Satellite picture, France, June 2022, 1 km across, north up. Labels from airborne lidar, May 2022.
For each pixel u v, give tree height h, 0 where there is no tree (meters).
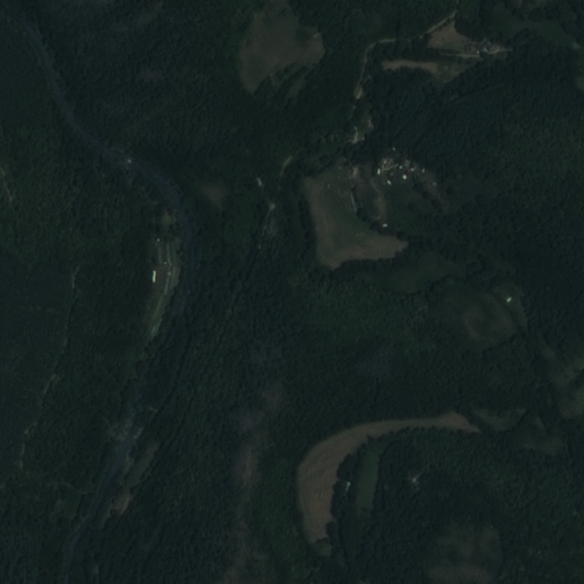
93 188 26
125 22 11
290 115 19
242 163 10
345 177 0
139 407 20
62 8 11
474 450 15
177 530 21
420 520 16
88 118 11
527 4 9
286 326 14
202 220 18
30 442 19
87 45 10
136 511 13
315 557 15
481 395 20
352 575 25
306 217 17
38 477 8
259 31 0
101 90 13
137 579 18
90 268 20
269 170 10
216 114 8
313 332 13
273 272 8
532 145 16
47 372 15
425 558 16
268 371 8
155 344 17
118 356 16
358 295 15
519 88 20
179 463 13
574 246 22
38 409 14
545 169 14
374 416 20
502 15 0
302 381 19
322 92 22
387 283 0
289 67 7
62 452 11
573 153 15
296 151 15
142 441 15
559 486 16
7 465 20
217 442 13
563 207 20
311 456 0
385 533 20
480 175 16
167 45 10
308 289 17
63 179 27
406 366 17
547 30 0
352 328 15
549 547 17
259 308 18
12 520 22
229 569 5
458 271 0
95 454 23
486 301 0
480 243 14
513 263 15
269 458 16
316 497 0
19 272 21
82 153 28
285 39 0
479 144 16
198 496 13
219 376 11
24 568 37
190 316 14
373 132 6
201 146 7
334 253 0
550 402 20
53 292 23
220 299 16
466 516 16
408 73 33
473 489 19
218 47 14
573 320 19
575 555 14
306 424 21
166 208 22
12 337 19
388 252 0
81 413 24
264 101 8
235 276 6
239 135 14
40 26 11
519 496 18
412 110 15
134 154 17
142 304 21
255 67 0
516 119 16
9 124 20
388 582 17
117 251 11
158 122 16
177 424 13
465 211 16
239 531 7
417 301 17
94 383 19
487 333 0
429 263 0
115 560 8
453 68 0
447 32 0
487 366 19
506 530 19
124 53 11
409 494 23
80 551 20
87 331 23
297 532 17
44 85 16
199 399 14
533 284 15
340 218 0
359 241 0
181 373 16
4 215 15
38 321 21
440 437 13
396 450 22
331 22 23
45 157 15
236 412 9
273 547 15
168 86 13
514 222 22
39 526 18
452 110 16
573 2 16
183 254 12
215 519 12
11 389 19
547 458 9
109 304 23
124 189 23
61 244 13
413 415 22
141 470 0
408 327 11
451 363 15
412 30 20
